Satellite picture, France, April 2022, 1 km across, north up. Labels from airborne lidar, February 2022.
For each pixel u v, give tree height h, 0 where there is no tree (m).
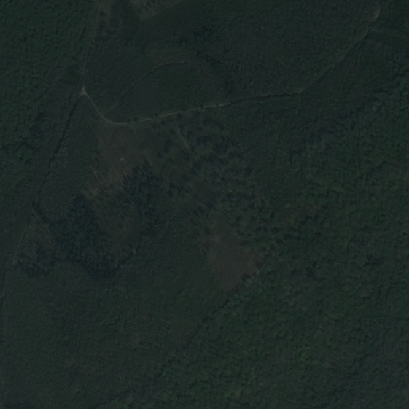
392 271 19
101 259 33
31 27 24
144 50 13
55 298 16
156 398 29
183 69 12
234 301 29
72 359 21
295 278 31
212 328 29
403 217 27
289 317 30
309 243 31
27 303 16
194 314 15
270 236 30
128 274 18
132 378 19
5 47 21
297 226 14
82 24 20
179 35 9
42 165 22
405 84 27
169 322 18
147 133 0
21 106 23
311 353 30
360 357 27
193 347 29
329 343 30
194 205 0
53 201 15
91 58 19
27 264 20
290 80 19
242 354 33
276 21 20
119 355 18
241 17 14
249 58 19
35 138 30
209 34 32
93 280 15
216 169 32
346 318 18
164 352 18
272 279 31
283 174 14
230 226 0
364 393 28
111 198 21
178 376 32
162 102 13
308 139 10
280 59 20
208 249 0
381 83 10
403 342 25
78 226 28
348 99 9
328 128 11
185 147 0
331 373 26
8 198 21
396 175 27
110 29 0
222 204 32
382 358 26
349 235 30
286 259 33
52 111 31
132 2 0
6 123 24
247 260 0
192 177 0
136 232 0
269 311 31
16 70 24
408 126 26
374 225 21
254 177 26
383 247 27
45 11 25
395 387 28
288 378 30
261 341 32
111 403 20
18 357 19
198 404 30
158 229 18
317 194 24
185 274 12
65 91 26
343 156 29
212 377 32
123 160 0
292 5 15
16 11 26
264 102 13
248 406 18
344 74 8
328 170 28
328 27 21
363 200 29
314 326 28
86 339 16
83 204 33
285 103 14
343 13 16
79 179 12
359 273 33
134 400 27
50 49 24
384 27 19
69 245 32
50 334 18
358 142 29
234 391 31
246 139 19
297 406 26
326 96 12
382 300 22
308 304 32
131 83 12
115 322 15
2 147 21
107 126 0
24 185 14
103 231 27
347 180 30
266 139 16
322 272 31
